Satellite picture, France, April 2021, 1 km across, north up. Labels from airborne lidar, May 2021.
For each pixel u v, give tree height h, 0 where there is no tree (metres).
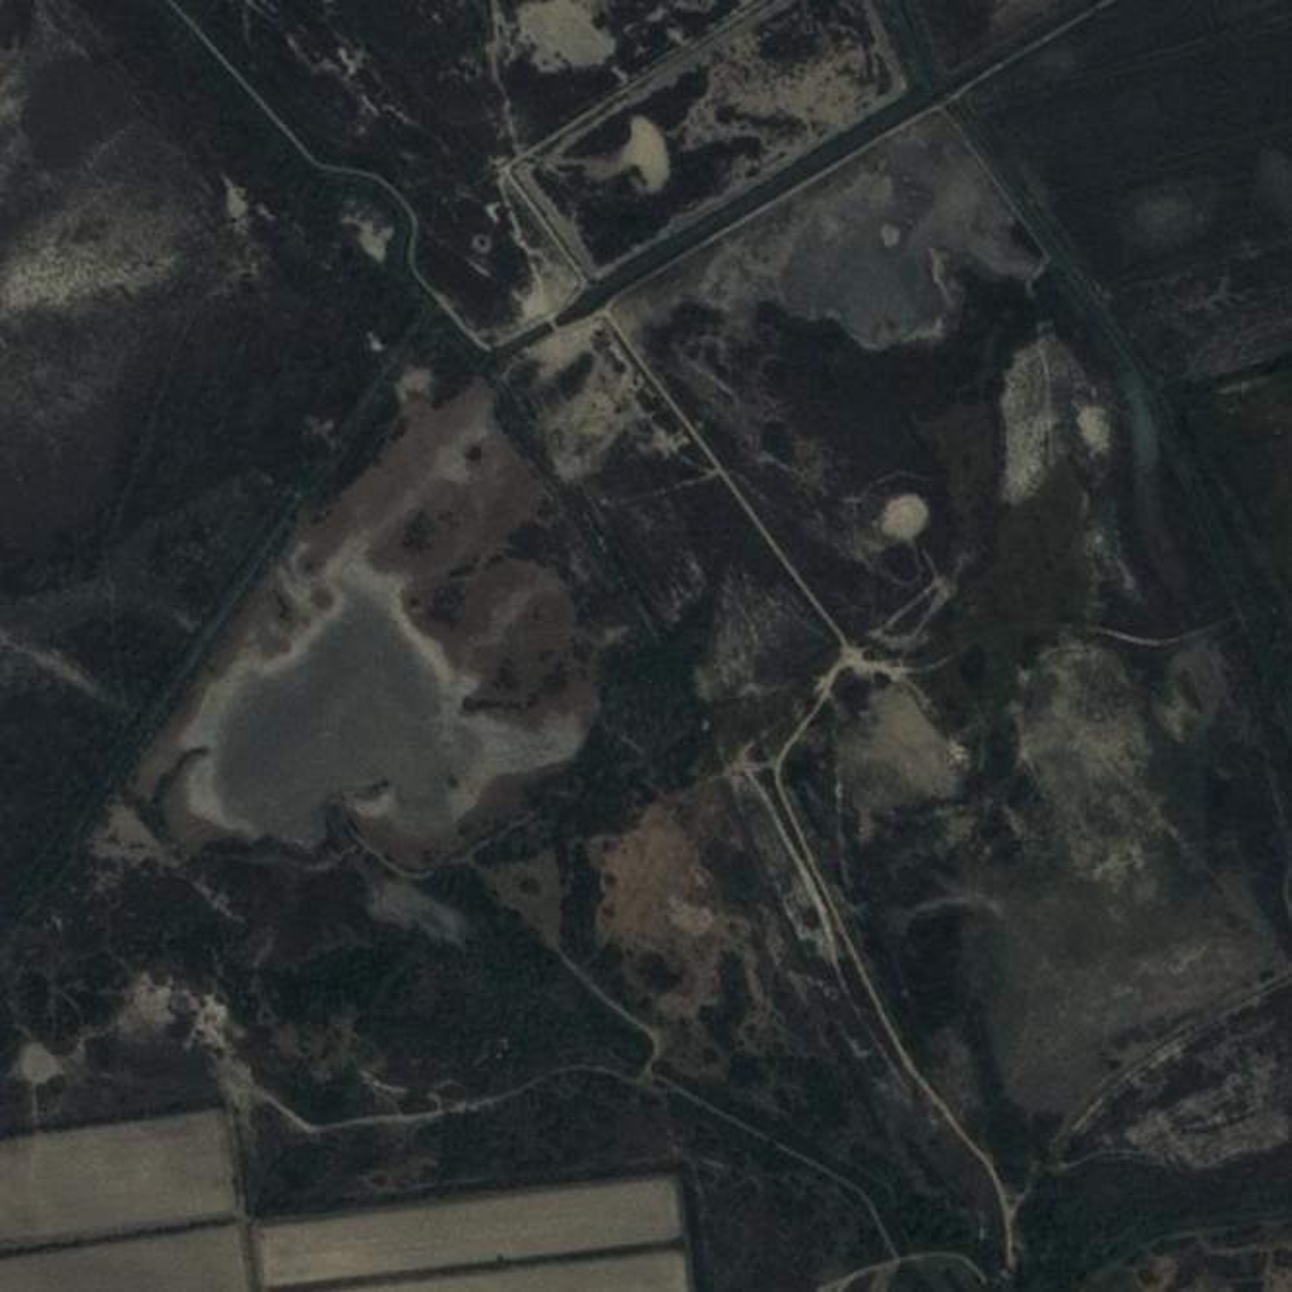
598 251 0
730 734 0
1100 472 0
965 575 0
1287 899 0
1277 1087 0
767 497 0
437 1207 0
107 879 0
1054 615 0
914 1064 0
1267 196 0
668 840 0
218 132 0
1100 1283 0
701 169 0
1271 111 0
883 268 0
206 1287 0
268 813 0
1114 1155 0
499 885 0
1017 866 0
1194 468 0
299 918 0
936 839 0
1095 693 0
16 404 0
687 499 0
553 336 0
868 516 0
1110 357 0
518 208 0
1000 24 0
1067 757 0
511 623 0
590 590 0
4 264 0
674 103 0
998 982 0
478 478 0
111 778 7
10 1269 0
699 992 0
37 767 0
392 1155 0
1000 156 0
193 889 0
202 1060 0
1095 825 0
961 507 0
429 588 0
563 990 0
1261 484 0
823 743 0
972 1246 10
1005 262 0
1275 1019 0
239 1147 0
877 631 0
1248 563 0
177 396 0
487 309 0
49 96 0
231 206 0
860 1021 0
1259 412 0
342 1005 8
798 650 0
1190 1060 0
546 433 0
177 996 0
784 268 0
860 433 0
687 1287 0
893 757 0
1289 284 0
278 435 0
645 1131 0
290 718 0
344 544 0
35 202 0
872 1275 0
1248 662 0
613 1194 0
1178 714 0
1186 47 0
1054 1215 9
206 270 0
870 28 0
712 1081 0
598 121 0
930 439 0
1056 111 0
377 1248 0
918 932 0
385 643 0
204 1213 0
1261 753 0
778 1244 0
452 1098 0
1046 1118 0
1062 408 0
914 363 0
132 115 0
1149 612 0
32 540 0
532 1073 0
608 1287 0
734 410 0
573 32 0
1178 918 0
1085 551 0
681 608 0
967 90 0
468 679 0
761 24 0
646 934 0
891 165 0
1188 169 0
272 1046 0
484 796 0
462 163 0
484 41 0
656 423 0
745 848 0
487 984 8
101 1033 0
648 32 0
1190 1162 0
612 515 0
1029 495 0
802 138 0
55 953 0
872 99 0
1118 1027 0
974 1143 0
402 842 0
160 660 0
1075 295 0
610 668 0
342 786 0
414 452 0
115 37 0
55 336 0
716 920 0
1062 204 0
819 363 0
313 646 0
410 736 0
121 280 0
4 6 0
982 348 0
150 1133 0
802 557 0
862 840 0
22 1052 0
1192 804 0
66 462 0
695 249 0
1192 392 7
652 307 0
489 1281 0
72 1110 0
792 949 0
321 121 0
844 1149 0
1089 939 0
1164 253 0
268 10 0
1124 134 0
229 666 0
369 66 0
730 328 0
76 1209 0
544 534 0
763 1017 0
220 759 0
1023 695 0
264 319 0
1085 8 0
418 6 0
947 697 0
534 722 0
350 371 0
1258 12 0
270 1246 0
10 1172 0
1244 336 0
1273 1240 0
